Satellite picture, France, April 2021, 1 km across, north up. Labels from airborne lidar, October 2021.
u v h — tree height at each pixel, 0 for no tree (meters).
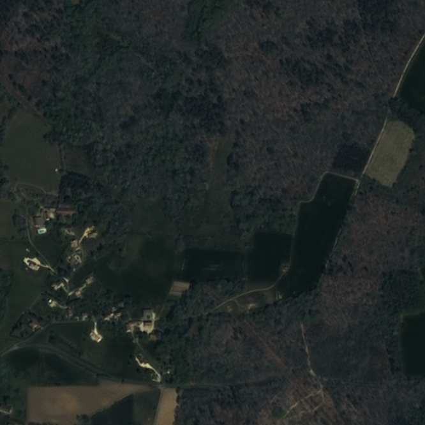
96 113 15
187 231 0
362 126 12
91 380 0
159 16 6
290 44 27
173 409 0
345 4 11
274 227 23
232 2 19
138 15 12
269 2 10
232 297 10
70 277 15
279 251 0
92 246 0
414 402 15
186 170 16
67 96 20
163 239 0
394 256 9
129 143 15
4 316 18
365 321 20
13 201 14
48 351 0
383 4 16
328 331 11
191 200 18
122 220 15
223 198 0
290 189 0
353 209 12
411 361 0
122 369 0
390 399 21
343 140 10
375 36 9
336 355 17
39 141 0
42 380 0
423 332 0
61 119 19
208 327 14
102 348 0
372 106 19
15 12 9
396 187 15
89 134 16
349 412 16
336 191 0
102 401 0
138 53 22
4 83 0
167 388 0
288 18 8
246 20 14
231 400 16
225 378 20
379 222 12
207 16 14
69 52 24
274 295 0
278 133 12
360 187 8
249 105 9
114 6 22
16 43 12
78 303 7
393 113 17
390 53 11
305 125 15
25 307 0
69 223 10
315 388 10
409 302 19
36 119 0
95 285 0
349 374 15
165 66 23
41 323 10
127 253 0
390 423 18
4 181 13
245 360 17
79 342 0
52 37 15
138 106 16
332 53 13
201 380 18
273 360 0
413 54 9
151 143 15
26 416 0
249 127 12
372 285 8
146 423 0
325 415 0
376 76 12
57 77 28
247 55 21
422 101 0
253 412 17
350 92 11
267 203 18
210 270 0
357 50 14
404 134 0
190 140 15
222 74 19
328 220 0
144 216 0
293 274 0
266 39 21
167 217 6
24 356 0
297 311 15
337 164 17
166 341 22
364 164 16
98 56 18
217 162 0
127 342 0
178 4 16
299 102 13
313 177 10
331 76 15
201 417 10
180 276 0
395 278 20
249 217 11
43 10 14
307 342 17
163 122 19
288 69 7
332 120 14
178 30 7
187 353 21
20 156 0
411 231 9
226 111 21
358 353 14
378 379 6
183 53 10
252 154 16
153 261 0
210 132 20
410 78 0
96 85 18
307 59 13
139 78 18
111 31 18
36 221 0
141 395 0
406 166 11
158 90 19
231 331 8
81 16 27
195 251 0
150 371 9
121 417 0
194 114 21
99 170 16
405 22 8
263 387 12
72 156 0
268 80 11
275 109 7
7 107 0
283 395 18
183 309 17
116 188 18
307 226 0
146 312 0
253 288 0
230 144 0
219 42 20
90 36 20
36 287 0
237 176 12
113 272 0
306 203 0
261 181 10
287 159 12
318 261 0
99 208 19
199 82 10
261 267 0
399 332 14
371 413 17
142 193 18
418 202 10
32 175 0
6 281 25
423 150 10
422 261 13
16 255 0
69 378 0
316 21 11
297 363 12
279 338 14
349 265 8
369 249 10
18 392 0
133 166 21
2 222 0
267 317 14
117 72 15
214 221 0
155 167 18
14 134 0
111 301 12
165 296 0
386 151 0
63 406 0
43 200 7
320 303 16
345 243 7
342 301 13
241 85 14
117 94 17
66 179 16
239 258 0
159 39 16
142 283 0
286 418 16
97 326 15
